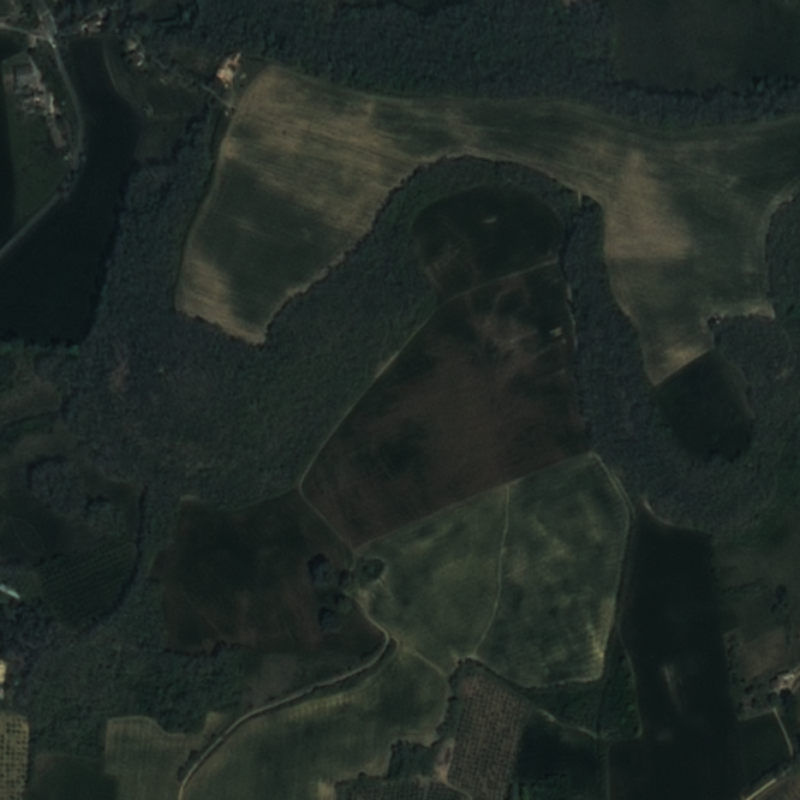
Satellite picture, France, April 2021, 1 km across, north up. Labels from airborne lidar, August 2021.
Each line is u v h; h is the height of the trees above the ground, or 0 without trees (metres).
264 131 0
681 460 14
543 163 0
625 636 0
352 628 0
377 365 15
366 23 19
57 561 7
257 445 14
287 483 18
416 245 18
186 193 16
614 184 0
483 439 0
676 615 0
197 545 0
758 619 0
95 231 0
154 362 14
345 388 20
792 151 0
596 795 0
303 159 0
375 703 0
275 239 0
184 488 12
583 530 0
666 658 0
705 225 0
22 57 0
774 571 0
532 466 0
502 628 0
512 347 0
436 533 0
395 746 6
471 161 14
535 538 0
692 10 0
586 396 17
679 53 0
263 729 0
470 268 0
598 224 16
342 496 0
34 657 14
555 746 0
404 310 19
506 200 0
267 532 0
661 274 0
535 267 0
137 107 0
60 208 0
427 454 0
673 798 0
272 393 14
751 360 15
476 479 0
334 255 0
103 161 0
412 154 0
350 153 0
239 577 0
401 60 23
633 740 0
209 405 17
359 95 0
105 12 5
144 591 19
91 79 0
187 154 17
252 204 0
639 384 17
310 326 13
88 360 16
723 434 0
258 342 0
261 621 0
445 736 15
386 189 0
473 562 0
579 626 0
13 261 0
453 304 0
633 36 0
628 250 0
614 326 18
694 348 0
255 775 0
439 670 0
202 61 0
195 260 0
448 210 0
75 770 0
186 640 0
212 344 21
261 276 0
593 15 27
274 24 22
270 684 0
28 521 0
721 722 0
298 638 0
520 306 0
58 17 12
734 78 0
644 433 13
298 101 0
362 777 8
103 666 13
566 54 18
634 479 19
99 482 0
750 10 0
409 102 0
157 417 10
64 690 18
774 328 15
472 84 16
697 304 0
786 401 13
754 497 18
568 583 0
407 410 0
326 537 0
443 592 0
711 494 13
